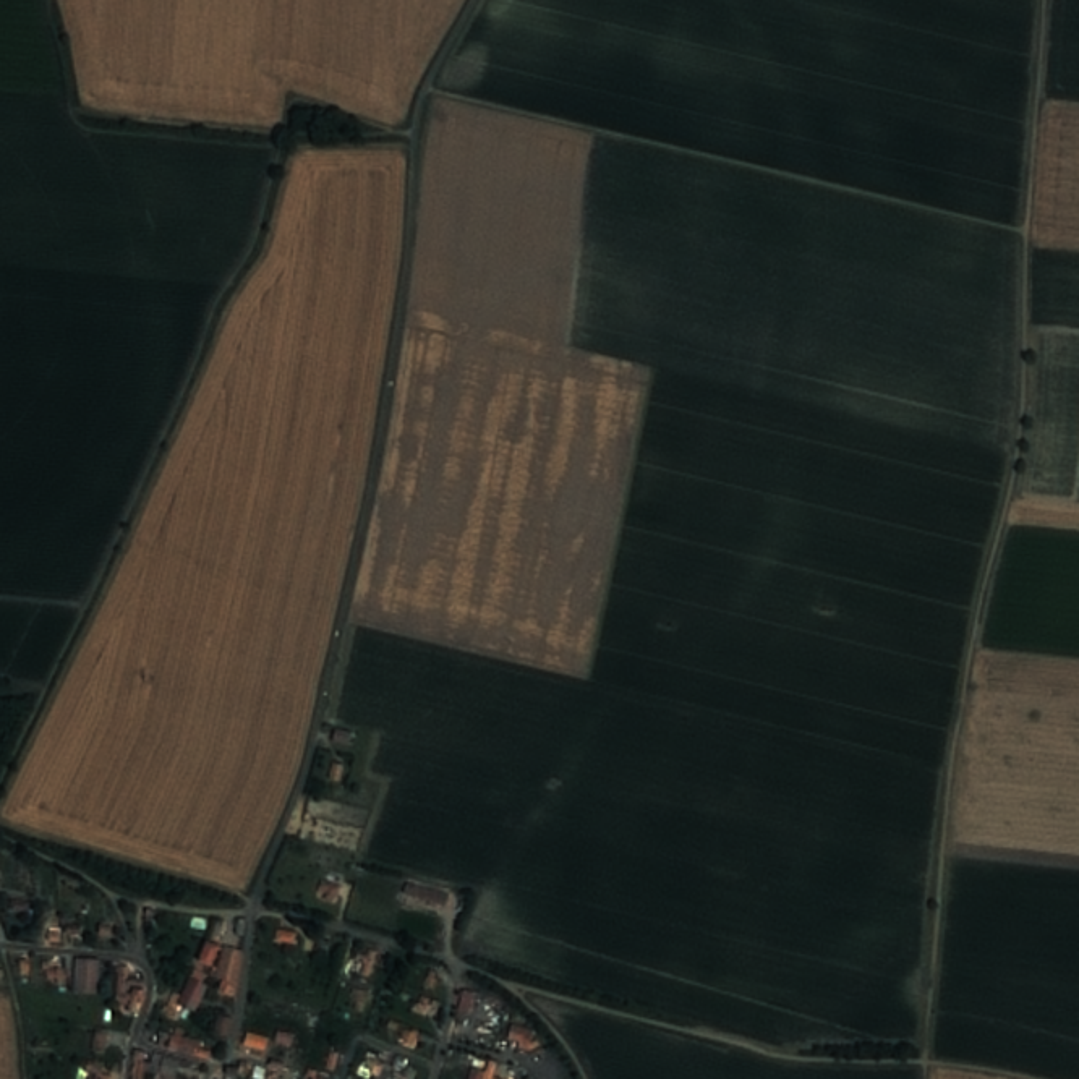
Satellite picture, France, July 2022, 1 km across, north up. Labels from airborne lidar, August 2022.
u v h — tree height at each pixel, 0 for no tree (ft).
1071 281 0
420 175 0
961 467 0
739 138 0
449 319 0
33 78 0
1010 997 0
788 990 0
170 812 0
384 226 0
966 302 0
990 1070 0
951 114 0
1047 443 0
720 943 0
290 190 0
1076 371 0
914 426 0
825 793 0
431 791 0
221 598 0
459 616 0
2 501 0
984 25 0
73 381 0
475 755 0
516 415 0
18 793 0
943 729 0
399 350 0
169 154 0
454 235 0
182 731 0
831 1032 0
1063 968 0
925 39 0
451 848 0
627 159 0
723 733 0
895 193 0
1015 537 0
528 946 0
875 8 0
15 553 0
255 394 0
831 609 0
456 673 0
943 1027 0
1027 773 0
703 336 0
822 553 0
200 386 0
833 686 0
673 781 0
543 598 0
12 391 0
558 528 0
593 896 0
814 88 0
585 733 0
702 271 0
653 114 0
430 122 0
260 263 0
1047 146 0
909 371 0
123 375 0
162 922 35
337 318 0
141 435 0
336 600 0
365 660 0
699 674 0
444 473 0
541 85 0
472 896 37
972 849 0
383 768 0
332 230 0
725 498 0
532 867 0
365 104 0
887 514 0
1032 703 0
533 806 0
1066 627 0
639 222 0
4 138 0
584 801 0
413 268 0
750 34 0
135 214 0
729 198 0
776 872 0
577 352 0
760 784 0
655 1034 0
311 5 0
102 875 36
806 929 0
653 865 0
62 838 0
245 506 0
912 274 0
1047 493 0
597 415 0
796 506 0
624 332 0
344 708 0
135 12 0
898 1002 0
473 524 0
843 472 0
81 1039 0
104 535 0
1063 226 0
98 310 0
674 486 0
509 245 0
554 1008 0
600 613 0
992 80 0
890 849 0
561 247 0
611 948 0
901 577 0
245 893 0
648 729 0
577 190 0
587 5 0
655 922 0
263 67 0
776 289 0
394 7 0
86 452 0
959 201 0
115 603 0
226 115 0
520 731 0
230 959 0
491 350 0
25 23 0
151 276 0
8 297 0
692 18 0
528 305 0
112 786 0
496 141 0
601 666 0
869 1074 0
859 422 0
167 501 0
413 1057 0
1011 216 0
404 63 0
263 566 0
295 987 19
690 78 0
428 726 0
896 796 0
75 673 0
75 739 0
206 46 0
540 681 0
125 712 0
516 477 0
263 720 0
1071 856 0
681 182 0
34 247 0
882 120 0
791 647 0
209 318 0
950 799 0
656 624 0
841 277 0
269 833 0
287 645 0
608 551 0
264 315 0
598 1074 0
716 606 0
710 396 0
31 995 0
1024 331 0
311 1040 0
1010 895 0
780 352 0
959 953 0
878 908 0
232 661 0
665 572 0
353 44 0
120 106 0
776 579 0
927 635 0
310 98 0
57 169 0
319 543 0
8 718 39
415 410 0
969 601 0
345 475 0
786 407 0
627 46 0
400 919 0
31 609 0
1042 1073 0
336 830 0
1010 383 0
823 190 0
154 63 0
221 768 0
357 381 0
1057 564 0
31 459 0
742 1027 0
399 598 0
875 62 0
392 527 0
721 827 0
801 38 0
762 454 0
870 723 0
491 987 35
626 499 0
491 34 0
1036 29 0
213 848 0
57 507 0
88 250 0
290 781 0
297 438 0
